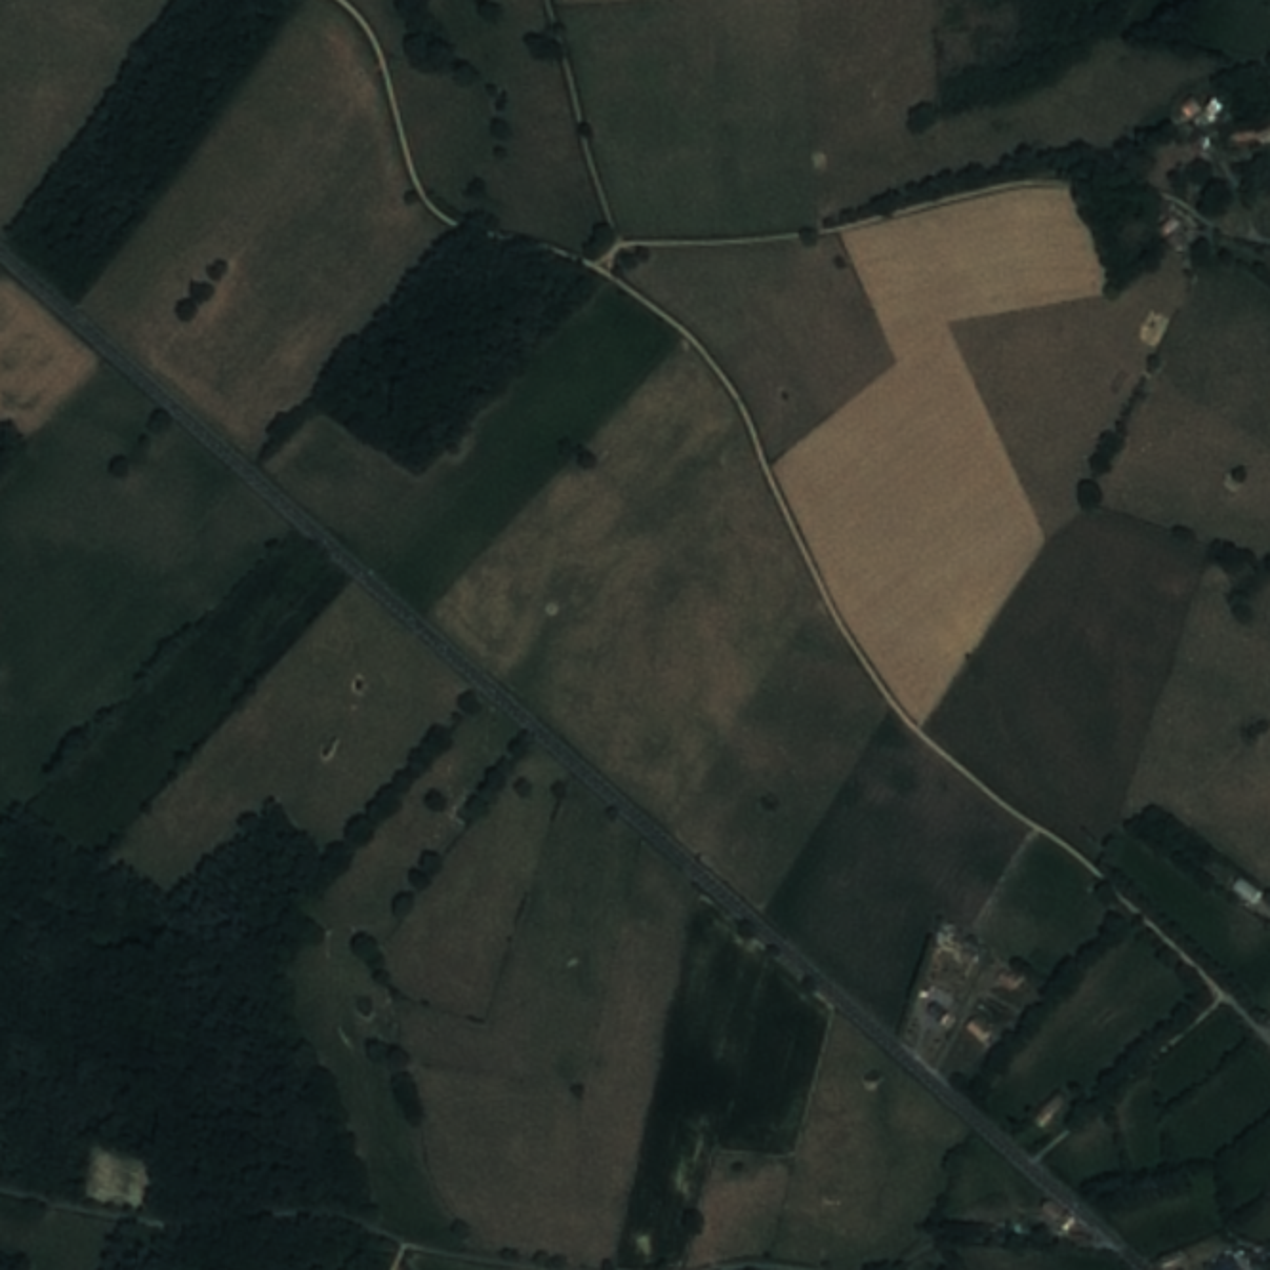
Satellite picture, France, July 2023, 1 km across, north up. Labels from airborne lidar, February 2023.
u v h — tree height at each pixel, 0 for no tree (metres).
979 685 0
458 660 0
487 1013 0
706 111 0
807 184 0
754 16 0
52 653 0
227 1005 22
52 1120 16
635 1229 0
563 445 6
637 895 0
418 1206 0
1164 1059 7
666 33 0
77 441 0
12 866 22
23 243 11
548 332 13
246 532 0
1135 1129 0
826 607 0
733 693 0
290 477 0
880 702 0
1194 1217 0
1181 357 0
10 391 0
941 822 0
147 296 0
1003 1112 0
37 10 0
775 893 0
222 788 0
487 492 0
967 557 0
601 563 0
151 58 18
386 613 0
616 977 0
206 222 0
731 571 0
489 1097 0
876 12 0
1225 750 0
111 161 16
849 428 0
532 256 18
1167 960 16
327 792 0
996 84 6
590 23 0
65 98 0
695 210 0
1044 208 0
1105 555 0
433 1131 0
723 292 0
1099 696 0
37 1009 19
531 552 0
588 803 0
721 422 0
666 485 0
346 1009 0
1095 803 0
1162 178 0
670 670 0
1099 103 0
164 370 0
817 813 0
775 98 0
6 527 0
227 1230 17
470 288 23
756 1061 0
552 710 0
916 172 0
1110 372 0
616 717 0
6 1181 14
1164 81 0
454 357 23
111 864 20
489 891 0
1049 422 0
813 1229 0
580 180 0
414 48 15
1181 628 0
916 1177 0
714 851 0
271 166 0
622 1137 0
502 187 0
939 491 0
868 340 0
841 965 0
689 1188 0
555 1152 0
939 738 0
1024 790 0
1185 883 0
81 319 0
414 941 0
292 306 0
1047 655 0
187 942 24
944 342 0
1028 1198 0
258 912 21
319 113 0
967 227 0
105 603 0
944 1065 0
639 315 0
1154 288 0
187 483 0
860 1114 0
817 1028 0
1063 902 0
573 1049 0
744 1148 0
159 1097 24
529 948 0
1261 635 0
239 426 0
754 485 0
